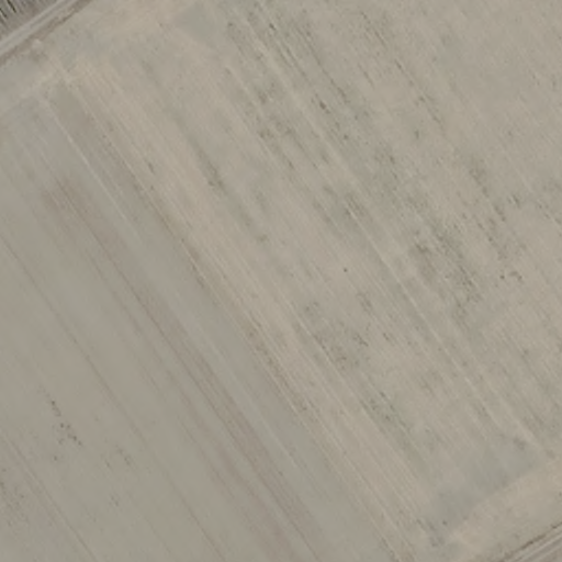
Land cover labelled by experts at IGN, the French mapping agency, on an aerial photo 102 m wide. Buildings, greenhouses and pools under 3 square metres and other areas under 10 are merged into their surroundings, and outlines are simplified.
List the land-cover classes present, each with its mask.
<instances>
[{"label":"agricultural land","instance_id":"1","mask_svg":"<svg viewBox=\"0 0 562 562\"><path fill-rule=\"evenodd\" d=\"M562 518V0H92L72 20H68L64 26H57L46 40H35L33 46H29L24 53H20L15 59L7 61L0 68V562H490L505 555L512 547L538 536L547 525Z\"/></svg>","mask_w":562,"mask_h":562},{"label":"pervious surface","instance_id":"2","mask_svg":"<svg viewBox=\"0 0 562 562\"><path fill-rule=\"evenodd\" d=\"M92 0H55L42 11H37L31 20L0 37V68L7 61L15 59L20 53H24L29 46H33L35 40H46L57 26H64L68 20H72ZM490 562H562V518L547 525L538 536L512 547L505 555Z\"/></svg>","mask_w":562,"mask_h":562},{"label":"vineyard","instance_id":"3","mask_svg":"<svg viewBox=\"0 0 562 562\"><path fill-rule=\"evenodd\" d=\"M55 0H0V37L31 20L37 11H42Z\"/></svg>","mask_w":562,"mask_h":562}]
</instances>
